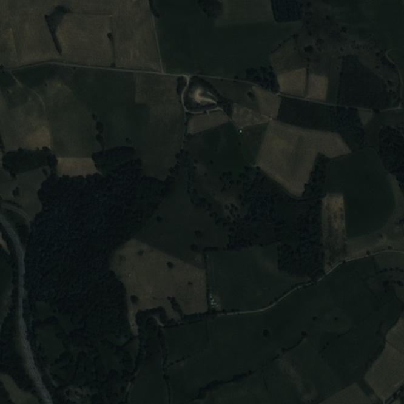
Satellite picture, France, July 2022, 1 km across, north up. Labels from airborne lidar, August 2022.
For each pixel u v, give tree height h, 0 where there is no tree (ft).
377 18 0
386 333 0
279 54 0
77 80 0
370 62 0
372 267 0
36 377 0
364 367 0
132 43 0
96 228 90
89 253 79
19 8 0
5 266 0
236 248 73
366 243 0
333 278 0
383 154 28
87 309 64
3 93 0
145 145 0
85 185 84
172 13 0
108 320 50
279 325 0
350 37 0
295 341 0
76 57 0
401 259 0
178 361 20
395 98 23
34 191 0
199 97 0
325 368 0
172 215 0
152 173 0
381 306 0
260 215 26
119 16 0
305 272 22
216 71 0
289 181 0
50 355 0
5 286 0
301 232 26
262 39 0
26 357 0
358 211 0
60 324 51
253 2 0
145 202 71
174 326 18
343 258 0
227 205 29
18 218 0
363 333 0
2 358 50
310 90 0
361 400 0
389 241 0
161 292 0
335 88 0
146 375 0
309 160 0
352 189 0
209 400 0
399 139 44
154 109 0
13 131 0
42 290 87
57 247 72
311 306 0
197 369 0
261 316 0
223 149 0
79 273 73
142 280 0
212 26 0
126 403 41
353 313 0
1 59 0
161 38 0
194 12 0
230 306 0
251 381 0
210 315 49
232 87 0
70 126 0
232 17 0
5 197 0
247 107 0
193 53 0
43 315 0
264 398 0
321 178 17
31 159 0
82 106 0
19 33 0
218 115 0
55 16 0
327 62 0
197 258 0
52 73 0
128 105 0
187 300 0
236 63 0
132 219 69
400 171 61
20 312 0
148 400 0
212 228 0
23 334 0
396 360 0
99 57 0
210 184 0
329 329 0
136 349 0
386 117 0
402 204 0
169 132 0
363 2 0
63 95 0
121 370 0
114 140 0
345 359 0
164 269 0
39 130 0
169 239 0
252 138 0
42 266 73
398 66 0
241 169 0
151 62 0
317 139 0
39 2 0
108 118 0
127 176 18
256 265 0
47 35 0
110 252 58
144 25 0
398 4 0
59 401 26
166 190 72
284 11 63
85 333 61
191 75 0
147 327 58
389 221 0
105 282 55
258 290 0
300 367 0
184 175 0
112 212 79
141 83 0
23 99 0
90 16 0
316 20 0
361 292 0
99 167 77
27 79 0
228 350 0
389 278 0
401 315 0
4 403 0
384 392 0
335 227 0
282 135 0
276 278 0
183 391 0
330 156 0
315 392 0
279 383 0
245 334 0
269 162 0
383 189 0
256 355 0
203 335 0
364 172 0
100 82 0
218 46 0
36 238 60
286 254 28
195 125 0
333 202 0
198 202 41
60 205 89
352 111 64
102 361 40
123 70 0
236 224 39
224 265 0
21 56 0
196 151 0
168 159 0
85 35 0
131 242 0
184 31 0
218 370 0
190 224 0
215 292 0
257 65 0
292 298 0
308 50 47
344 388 0
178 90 35
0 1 0
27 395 0
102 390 65
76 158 0
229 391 0
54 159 56
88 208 81
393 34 0
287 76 0
